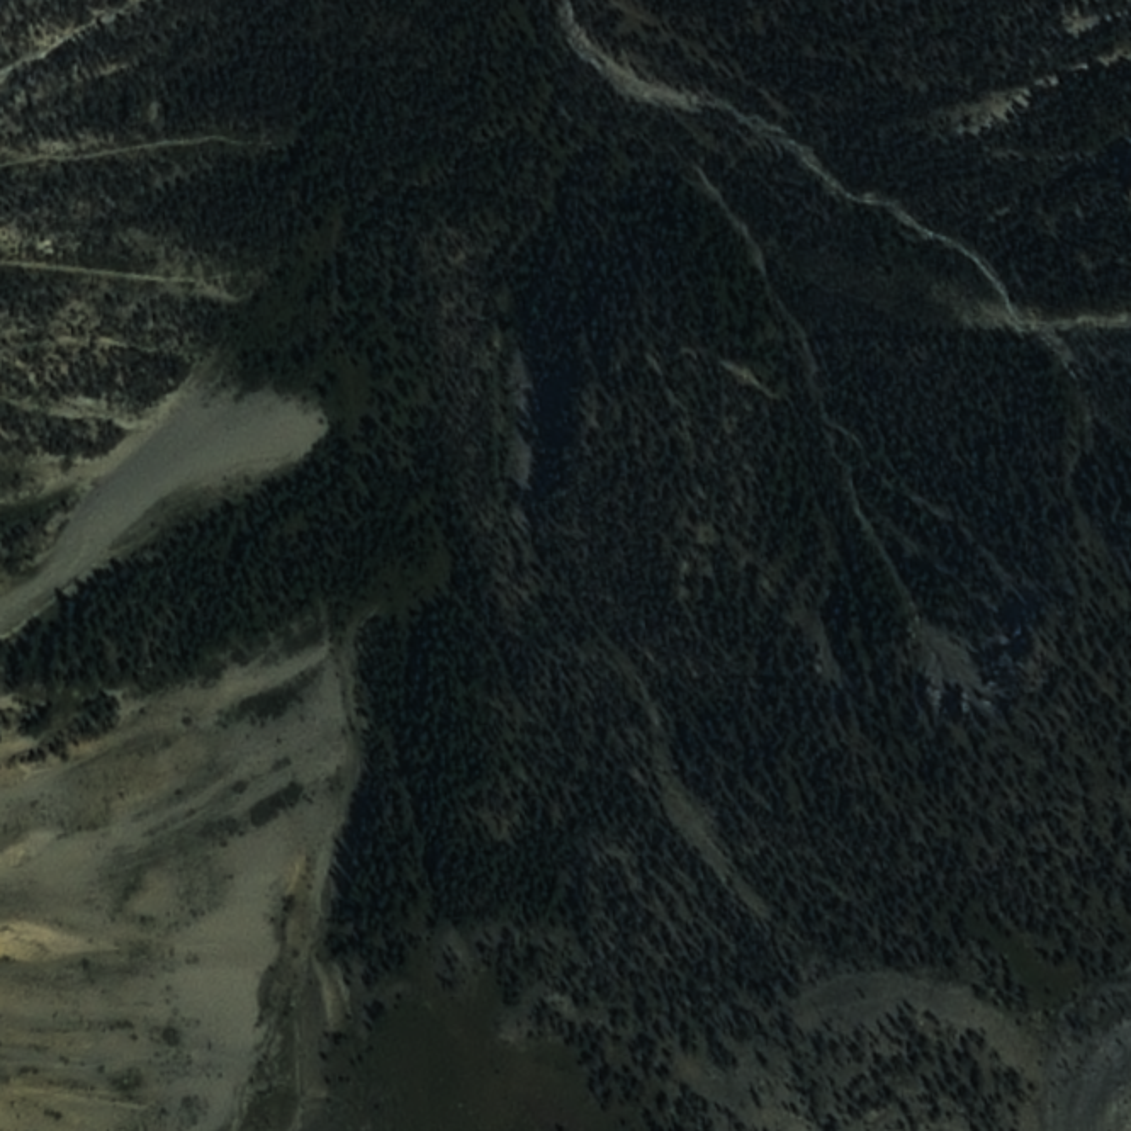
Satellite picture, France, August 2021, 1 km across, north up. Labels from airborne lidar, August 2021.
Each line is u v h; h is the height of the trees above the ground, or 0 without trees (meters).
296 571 23
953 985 0
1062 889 19
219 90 13
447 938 0
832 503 7
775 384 9
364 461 12
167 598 11
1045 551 10
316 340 10
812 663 9
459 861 15
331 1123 0
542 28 16
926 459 12
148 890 0
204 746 0
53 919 0
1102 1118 0
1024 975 0
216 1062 0
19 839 0
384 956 6
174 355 8
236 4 11
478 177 12
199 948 0
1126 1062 0
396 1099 0
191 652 14
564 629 7
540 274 13
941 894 15
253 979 0
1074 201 7
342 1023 0
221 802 0
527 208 10
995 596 14
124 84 7
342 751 0
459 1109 0
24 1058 0
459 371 10
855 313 6
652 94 0
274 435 0
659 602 14
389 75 15
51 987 0
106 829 0
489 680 10
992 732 12
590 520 12
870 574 14
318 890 0
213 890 0
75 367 11
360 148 18
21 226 7
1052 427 12
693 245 11
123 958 0
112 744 0
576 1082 0
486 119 11
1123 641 16
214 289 0
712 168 8
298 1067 0
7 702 0
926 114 8
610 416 8
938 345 13
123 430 9
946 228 6
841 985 0
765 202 10
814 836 17
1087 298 17
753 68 13
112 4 10
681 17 10
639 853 9
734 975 8
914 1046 8
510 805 14
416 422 15
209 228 9
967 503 16
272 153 10
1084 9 13
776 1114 0
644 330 13
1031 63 15
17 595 0
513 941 9
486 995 0
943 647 0
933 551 15
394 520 6
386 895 17
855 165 10
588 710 11
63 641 13
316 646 0
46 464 0
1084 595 13
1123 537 14
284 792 0
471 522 7
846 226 7
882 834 13
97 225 10
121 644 16
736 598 10
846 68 11
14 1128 0
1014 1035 0
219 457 0
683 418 10
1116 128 5
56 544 0
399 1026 0
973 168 14
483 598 15
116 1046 0
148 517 0
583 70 15
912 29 7
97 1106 0
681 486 19
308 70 15
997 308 0
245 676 0
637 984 14
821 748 15
